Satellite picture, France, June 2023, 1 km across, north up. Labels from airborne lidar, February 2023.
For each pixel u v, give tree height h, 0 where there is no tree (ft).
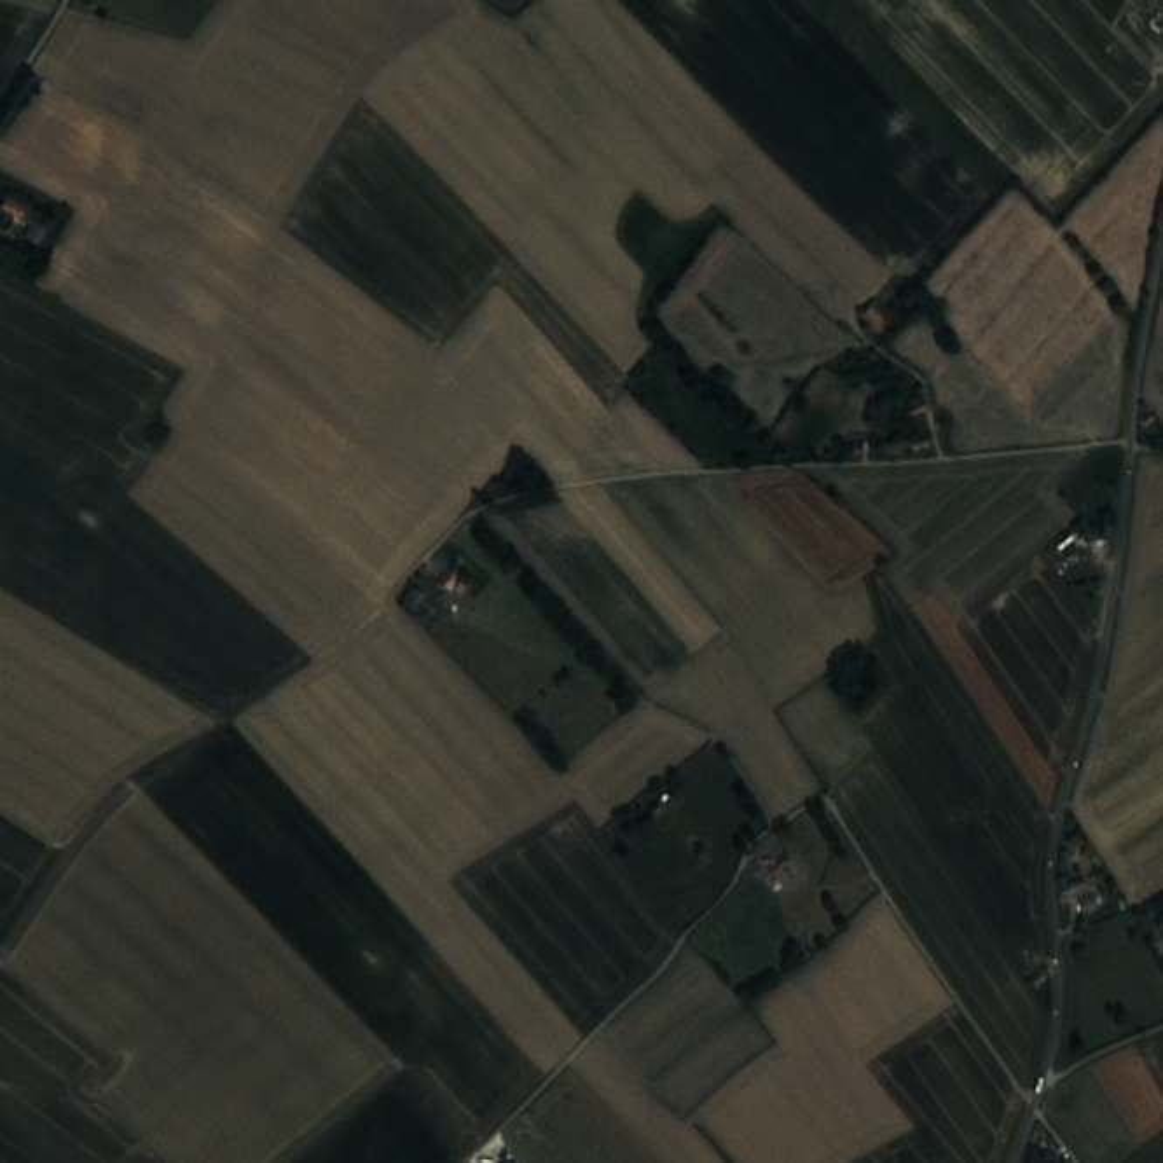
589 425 0
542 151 0
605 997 0
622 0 0
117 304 0
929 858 0
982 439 0
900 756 0
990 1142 0
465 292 0
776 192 0
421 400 0
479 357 0
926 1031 0
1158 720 0
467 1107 0
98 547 0
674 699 0
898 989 0
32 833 0
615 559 0
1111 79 0
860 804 0
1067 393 0
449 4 0
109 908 0
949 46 0
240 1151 0
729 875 0
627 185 0
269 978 0
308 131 0
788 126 0
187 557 0
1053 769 0
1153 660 0
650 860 0
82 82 0
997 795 0
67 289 0
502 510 0
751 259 0
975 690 0
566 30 0
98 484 0
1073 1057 0
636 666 0
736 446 0
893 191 0
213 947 0
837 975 0
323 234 0
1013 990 0
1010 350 0
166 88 0
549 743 92
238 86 0
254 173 0
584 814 0
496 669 0
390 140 0
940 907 0
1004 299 0
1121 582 0
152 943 0
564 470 0
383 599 0
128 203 0
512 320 0
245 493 0
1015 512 0
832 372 20
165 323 0
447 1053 0
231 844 0
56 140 0
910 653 0
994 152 0
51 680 0
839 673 74
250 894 0
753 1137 0
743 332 0
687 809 0
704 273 0
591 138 0
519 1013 0
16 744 0
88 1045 0
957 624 0
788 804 0
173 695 0
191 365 0
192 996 0
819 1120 0
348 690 0
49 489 0
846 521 0
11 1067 0
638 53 0
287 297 0
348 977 0
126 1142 0
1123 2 0
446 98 0
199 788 0
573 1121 0
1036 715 0
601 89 0
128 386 0
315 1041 0
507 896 0
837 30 0
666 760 0
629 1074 0
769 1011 0
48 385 0
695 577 0
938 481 0
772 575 0
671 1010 0
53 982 0
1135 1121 0
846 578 0
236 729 0
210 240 0
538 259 0
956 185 0
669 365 0
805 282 0
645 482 0
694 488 0
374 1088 0
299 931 0
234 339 0
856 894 0
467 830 0
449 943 0
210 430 0
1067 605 0
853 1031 0
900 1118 0
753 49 0
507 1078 0
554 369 0
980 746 0
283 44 0
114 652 0
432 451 0
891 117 0
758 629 0
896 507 0
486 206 0
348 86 0
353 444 0
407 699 0
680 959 0
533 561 0
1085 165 0
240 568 0
